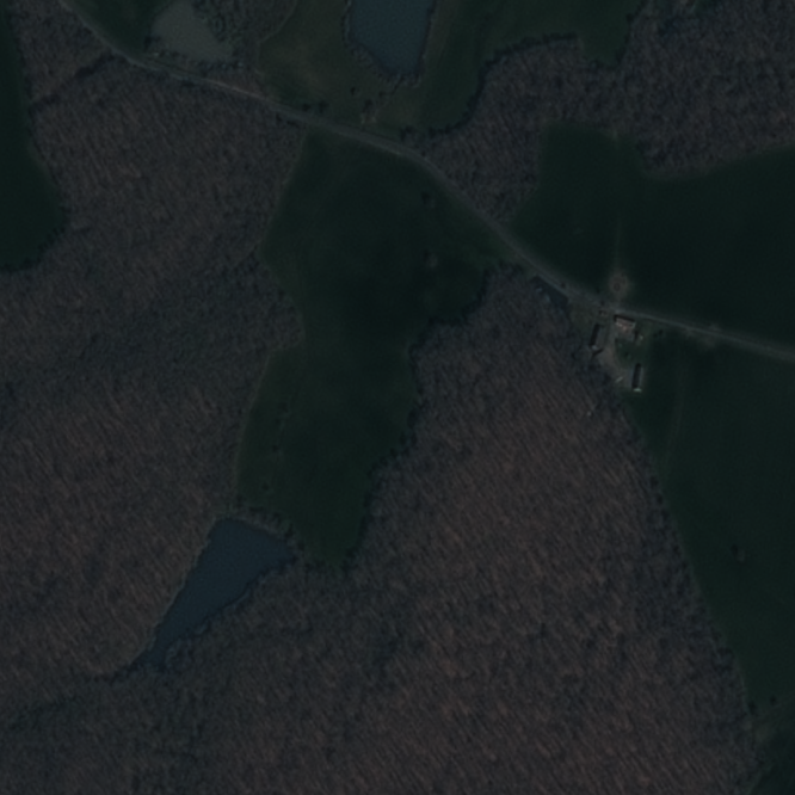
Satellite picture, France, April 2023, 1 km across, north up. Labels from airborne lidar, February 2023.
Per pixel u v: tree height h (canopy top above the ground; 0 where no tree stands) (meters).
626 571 22
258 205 16
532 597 20
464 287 0
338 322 0
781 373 0
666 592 21
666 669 22
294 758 21
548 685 20
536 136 16
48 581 24
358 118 0
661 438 0
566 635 23
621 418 23
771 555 0
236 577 0
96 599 26
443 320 0
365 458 0
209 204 25
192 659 18
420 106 0
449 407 28
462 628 24
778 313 0
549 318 22
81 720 23
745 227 0
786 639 0
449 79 0
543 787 24
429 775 28
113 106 24
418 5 0
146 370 22
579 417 25
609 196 0
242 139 22
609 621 21
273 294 17
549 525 24
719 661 26
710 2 0
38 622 23
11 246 0
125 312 27
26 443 22
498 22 0
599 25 0
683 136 24
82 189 25
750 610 0
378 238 0
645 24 16
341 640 26
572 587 17
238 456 15
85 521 24
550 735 24
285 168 19
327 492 0
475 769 23
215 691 23
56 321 23
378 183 0
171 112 18
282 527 21
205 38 0
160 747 19
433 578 24
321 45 0
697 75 26
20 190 0
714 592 0
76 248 21
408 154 0
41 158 20
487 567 26
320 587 14
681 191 0
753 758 21
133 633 23
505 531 22
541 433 26
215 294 23
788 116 26
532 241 0
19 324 24
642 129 23
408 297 0
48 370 20
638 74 22
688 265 0
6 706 26
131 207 25
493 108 23
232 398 17
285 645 15
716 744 22
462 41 0
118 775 25
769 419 0
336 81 0
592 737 24
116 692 29
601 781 23
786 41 18
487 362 24
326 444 0
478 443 26
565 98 25
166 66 0
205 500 22
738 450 0
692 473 0
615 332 0
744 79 20
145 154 25
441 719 26
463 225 0
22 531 24
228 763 24
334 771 21
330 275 0
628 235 0
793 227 0
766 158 0
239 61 17
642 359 0
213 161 22
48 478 24
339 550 0
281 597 20
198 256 24
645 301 0
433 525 26
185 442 25
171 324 21
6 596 19
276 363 0
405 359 0
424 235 0
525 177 18
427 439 25
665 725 22
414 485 23
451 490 25
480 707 22
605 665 20
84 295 23
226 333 20
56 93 0
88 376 20
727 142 22
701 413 0
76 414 24
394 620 23
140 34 0
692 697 25
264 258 0
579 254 0
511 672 14
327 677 22
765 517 0
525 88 26
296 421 0
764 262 0
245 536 0
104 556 26
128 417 25
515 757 26
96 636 24
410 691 22
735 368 0
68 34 23
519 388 26
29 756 23
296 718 22
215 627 20
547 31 0
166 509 24
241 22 30
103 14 0
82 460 24
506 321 24
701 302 0
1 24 0
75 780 27
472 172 19
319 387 0
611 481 22
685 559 14
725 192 0
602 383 19
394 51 0
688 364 0
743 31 14
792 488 0
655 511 11
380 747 25
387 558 22
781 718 0
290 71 0
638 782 23
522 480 20
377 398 0
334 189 0
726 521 0
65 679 24
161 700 17
